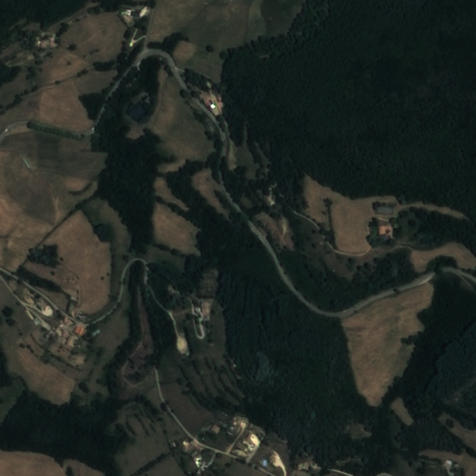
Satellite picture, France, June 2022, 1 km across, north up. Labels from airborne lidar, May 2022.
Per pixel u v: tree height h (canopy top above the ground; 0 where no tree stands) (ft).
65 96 0
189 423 0
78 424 79
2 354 54
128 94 34
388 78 62
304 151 60
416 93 45
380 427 51
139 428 0
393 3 71
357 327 0
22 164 0
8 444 65
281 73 75
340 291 47
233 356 46
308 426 43
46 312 0
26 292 0
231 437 0
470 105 55
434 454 0
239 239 29
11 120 0
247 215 47
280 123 57
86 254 0
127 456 0
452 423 31
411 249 0
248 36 0
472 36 50
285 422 62
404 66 49
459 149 74
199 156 0
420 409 59
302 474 0
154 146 60
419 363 34
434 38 60
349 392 33
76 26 0
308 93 72
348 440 44
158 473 0
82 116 0
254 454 0
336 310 81
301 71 73
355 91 63
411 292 0
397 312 0
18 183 0
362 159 57
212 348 0
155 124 0
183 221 0
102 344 0
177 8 0
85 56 20
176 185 42
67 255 0
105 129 53
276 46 37
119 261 0
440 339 40
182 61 0
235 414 21
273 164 40
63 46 0
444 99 38
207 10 0
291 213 34
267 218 0
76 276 0
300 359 38
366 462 73
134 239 43
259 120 63
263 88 70
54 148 0
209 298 28
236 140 44
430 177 59
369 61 53
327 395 56
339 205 0
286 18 0
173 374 0
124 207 64
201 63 0
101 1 35
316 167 67
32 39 51
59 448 37
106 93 39
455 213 0
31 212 0
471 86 39
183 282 88
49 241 0
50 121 0
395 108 46
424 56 50
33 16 49
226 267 38
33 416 68
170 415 0
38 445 40
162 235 0
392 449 51
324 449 69
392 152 52
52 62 0
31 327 0
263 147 50
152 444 0
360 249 0
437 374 83
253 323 84
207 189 0
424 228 44
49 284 35
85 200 27
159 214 0
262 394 38
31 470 0
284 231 0
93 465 38
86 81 0
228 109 46
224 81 44
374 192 47
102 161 0
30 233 0
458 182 66
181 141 0
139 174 25
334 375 31
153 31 0
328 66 82
